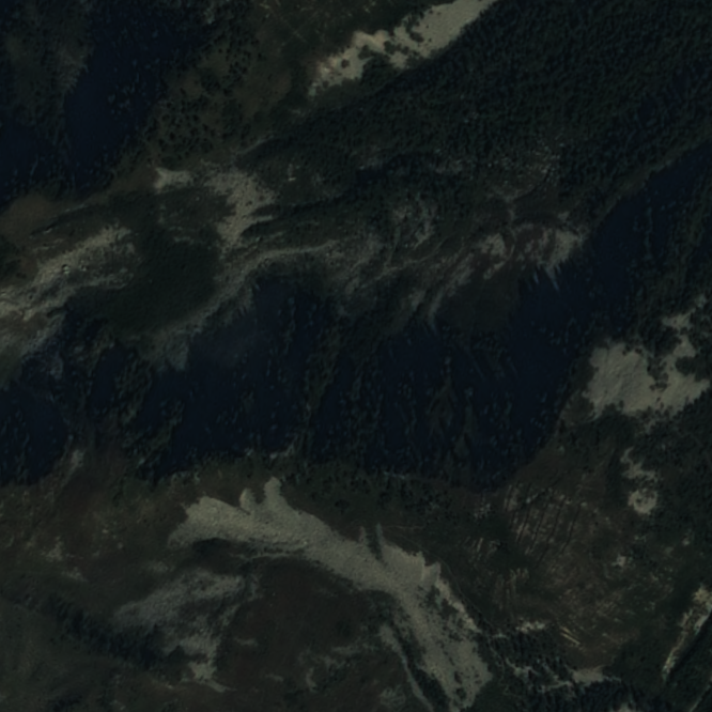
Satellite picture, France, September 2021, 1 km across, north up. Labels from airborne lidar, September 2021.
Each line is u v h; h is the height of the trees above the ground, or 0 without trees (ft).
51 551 0
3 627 0
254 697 0
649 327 30
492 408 38
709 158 28
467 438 0
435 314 0
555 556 0
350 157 25
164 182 0
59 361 0
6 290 0
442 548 0
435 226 21
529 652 24
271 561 0
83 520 0
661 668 23
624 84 34
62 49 0
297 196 0
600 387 0
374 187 26
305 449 33
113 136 48
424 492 22
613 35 36
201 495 0
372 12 0
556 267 0
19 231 0
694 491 26
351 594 0
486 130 51
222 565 0
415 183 21
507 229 22
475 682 0
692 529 21
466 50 28
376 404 27
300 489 0
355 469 17
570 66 63
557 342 60
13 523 0
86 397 44
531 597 0
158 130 38
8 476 0
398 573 0
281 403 0
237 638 0
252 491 0
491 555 0
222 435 0
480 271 0
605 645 0
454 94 28
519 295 0
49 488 0
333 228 0
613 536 0
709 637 20
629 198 0
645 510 0
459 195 27
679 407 0
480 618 34
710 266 20
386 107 28
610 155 29
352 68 0
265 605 0
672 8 40
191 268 17
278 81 0
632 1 24
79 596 0
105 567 0
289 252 0
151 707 0
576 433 0
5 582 0
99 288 0
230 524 0
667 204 43
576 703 41
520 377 0
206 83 28
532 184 0
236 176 0
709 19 25
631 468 0
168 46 36
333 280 0
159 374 0
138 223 0
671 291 20
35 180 36
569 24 26
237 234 0
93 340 31
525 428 0
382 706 0
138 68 21
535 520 0
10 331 0
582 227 0
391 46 0
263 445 0
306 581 0
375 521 0
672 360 0
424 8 35
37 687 0
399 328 0
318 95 0
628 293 42
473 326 0
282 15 0
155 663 27
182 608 0
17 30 18
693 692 21
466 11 0
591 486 0
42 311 0
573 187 35
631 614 0
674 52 20
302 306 23
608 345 0
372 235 0
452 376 0
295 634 0
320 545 0
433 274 0
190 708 0
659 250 30
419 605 0
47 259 0
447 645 0
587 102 22
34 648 0
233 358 47
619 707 19
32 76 0
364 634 0
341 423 26
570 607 0
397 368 18
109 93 25
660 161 28
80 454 0
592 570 0
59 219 0
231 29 52
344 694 0
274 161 0
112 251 0
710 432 20
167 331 0
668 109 72
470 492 0
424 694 22
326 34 0
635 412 0
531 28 24
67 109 0
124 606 0
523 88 26
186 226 0
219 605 0
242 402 30
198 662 0
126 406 39
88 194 0
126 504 0
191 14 42
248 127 24
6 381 0
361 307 0
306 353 47
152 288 18
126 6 19
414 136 34
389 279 0
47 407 0
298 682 0
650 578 0
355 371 19
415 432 0
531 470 0
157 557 0
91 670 0
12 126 18
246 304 0
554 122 0
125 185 0
